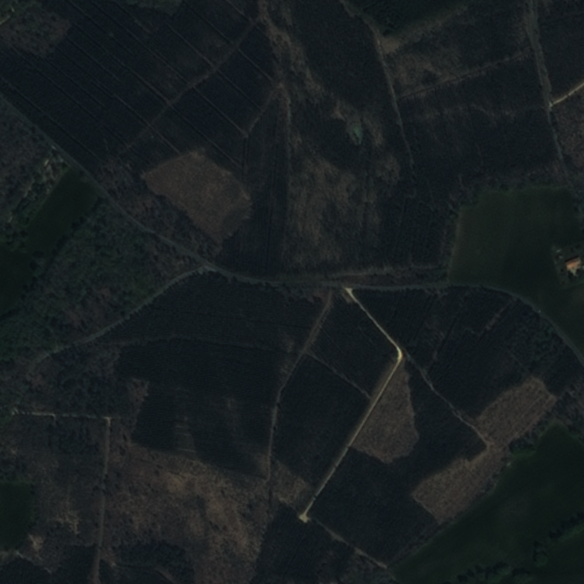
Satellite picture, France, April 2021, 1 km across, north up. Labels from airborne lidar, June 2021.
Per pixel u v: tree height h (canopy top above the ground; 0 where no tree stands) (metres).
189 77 6
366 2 15
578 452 0
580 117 7
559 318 0
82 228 15
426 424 7
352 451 8
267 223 8
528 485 0
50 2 12
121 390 19
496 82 11
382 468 8
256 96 8
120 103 10
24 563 9
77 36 10
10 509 0
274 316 12
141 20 11
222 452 8
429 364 9
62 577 9
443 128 10
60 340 10
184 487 0
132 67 10
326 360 9
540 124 11
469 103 12
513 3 8
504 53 11
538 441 14
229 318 11
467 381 9
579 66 10
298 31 7
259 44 9
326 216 6
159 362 10
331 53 13
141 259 11
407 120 9
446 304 7
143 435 8
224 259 8
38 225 0
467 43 9
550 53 9
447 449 10
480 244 0
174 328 12
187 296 11
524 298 0
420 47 10
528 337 17
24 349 10
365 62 14
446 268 10
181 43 10
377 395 0
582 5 9
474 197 13
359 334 11
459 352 11
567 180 13
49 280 13
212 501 0
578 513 0
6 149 7
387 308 11
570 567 0
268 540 7
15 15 14
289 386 9
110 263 15
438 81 8
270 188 7
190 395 7
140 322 12
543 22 7
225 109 9
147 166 6
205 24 9
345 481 7
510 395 0
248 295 13
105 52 11
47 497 0
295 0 9
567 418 12
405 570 0
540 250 0
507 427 0
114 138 11
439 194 10
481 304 10
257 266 10
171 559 14
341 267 8
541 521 0
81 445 19
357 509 8
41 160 7
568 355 9
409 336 10
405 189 11
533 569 0
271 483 0
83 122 9
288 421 9
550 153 12
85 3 10
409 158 12
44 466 0
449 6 12
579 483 0
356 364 11
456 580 0
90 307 19
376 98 9
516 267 0
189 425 7
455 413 8
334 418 7
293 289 10
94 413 18
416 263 10
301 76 8
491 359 9
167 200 13
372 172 8
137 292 8
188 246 13
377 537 7
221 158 7
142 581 9
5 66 8
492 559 0
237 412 7
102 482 6
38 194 12
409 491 7
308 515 0
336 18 11
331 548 8
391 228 11
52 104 9
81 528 0
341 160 11
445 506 0
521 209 0
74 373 20
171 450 9
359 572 13
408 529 8
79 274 12
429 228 11
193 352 9
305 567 12
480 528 0
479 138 11
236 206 0
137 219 8
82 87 9
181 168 0
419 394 8
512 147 12
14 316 15
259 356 11
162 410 11
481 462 0
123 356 9
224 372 8
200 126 10
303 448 7
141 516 0
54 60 9
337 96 7
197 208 0
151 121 8
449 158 9
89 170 9
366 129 8
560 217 0
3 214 13
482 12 10
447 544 0
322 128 12
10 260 0
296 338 8
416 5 13
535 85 11
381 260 10
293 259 7
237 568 8
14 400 8
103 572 9
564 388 7
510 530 0
